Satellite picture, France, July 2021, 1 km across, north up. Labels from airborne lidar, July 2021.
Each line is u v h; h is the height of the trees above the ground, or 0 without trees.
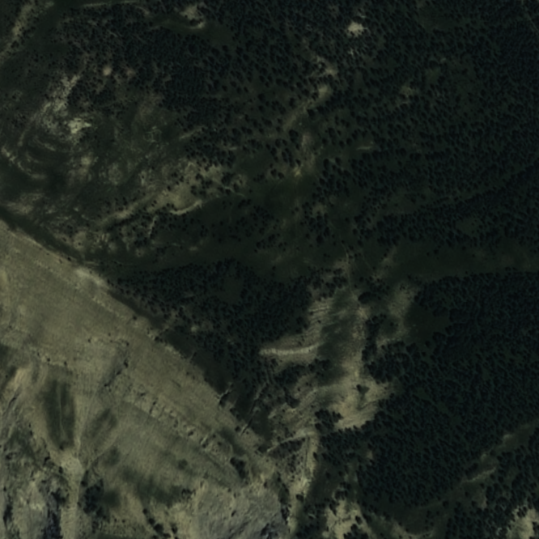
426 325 0
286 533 0
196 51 26
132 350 0
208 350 7
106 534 0
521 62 12
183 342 0
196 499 0
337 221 0
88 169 0
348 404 0
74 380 0
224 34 0
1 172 0
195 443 0
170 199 0
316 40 9
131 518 0
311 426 0
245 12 17
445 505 19
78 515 0
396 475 19
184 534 0
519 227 11
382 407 13
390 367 20
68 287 0
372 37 11
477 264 0
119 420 0
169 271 9
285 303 12
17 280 0
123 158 0
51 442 0
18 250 0
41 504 0
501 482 18
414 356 20
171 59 12
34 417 0
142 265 0
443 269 0
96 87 8
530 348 20
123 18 8
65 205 0
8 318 0
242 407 0
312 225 15
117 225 8
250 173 0
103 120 0
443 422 25
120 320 0
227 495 0
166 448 0
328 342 0
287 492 7
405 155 24
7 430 0
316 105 0
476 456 13
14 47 9
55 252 0
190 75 14
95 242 0
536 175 20
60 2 0
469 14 13
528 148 22
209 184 8
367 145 0
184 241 0
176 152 0
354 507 0
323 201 10
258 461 0
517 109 20
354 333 0
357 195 0
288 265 0
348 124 19
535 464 18
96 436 0
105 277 0
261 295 16
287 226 0
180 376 0
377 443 23
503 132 15
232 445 0
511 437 0
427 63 19
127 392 0
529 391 22
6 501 0
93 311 0
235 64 6
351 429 14
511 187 14
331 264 0
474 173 13
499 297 18
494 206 15
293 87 15
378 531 0
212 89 18
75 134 0
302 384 0
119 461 0
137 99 0
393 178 20
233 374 8
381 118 15
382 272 0
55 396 0
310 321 0
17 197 0
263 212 11
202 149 10
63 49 0
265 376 7
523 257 0
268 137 0
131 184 0
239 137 16
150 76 10
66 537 0
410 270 0
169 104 9
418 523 0
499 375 21
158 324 0
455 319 22
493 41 26
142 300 9
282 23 7
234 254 0
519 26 11
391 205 0
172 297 8
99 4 0
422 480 23
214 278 21
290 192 0
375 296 11
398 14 21
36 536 0
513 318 21
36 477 0
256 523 0
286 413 0
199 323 9
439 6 23
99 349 0
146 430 0
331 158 0
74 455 0
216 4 18
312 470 0
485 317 21
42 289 0
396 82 22
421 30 25
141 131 0
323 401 0
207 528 0
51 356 0
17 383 0
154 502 0
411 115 22
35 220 0
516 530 0
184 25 0
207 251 0
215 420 0
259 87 0
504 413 20
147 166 0
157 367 0
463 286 25
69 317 0
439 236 20
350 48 12
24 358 0
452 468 18
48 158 0
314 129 0
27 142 0
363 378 0
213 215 0
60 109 0
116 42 7
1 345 0
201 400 0
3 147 0
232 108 9
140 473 0
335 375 0
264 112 14
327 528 10
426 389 26
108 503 0
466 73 13
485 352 13
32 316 0
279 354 0
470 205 13
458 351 25
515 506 14
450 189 19
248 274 9
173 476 0
